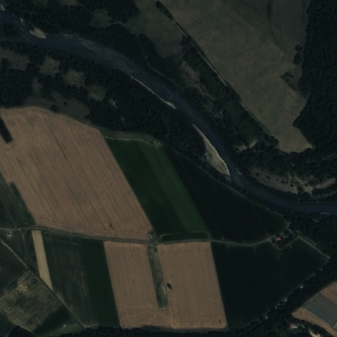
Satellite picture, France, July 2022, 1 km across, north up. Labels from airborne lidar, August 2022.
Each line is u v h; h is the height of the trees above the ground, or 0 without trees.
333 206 0
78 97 7
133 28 0
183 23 0
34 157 0
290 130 0
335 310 0
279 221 0
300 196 13
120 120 17
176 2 0
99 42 21
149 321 0
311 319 0
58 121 0
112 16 8
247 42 0
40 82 16
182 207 0
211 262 0
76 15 16
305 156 16
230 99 8
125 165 0
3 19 0
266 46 0
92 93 0
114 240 0
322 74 10
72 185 0
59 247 0
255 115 0
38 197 0
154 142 0
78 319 0
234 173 0
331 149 10
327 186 0
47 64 0
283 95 0
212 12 0
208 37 0
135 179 0
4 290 0
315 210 0
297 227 24
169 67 8
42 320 0
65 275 0
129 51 8
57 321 0
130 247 0
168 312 0
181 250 0
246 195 17
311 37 23
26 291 0
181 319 0
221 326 0
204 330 0
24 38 0
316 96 13
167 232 0
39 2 0
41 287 0
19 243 0
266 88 0
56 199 0
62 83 12
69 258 0
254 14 0
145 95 24
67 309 0
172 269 0
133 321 0
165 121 23
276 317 19
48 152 0
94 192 0
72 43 0
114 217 0
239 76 0
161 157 0
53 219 0
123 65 0
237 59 0
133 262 0
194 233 0
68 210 0
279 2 0
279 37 0
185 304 0
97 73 15
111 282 0
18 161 0
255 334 17
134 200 0
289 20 0
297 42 0
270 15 0
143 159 0
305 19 0
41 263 0
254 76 0
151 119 14
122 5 15
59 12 13
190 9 0
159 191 0
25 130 0
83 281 0
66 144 0
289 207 0
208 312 0
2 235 0
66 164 0
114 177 0
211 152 0
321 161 22
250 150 20
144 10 0
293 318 14
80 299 0
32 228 0
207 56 0
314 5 14
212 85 6
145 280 0
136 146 0
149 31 0
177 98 0
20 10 7
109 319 0
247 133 7
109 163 0
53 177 0
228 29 0
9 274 0
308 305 0
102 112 12
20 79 10
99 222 0
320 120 10
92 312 0
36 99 0
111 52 0
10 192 0
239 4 0
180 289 0
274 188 11
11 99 6
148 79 0
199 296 0
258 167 9
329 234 24
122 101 19
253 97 0
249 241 0
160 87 0
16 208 0
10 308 0
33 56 18
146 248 0
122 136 0
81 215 0
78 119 0
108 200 0
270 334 14
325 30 16
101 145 0
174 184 0
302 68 10
